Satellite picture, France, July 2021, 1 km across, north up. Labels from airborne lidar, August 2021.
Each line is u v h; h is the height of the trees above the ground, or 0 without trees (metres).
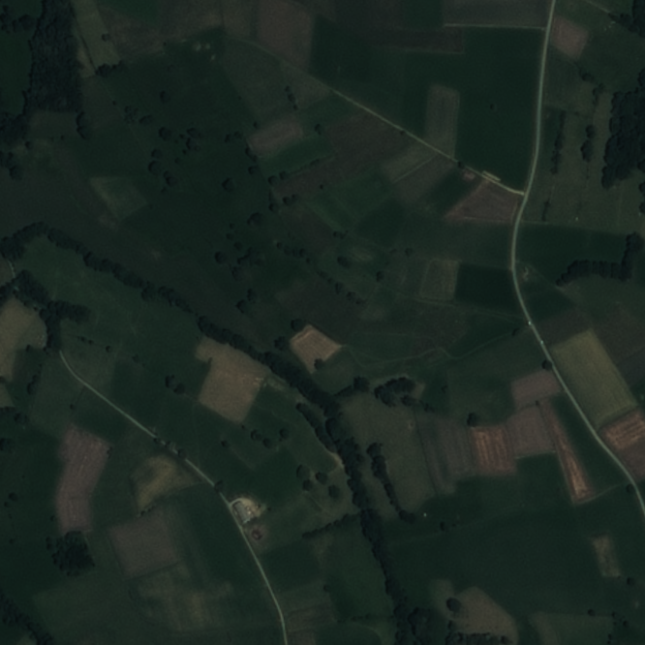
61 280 0
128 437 0
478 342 0
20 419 19
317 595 0
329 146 0
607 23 0
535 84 0
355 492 16
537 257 0
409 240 0
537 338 0
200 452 0
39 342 0
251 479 0
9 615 15
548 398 0
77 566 9
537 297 0
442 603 0
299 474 10
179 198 0
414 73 0
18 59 0
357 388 12
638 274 0
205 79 0
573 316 0
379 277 9
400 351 0
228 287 0
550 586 0
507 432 0
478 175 0
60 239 24
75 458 0
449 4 0
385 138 0
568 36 0
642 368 0
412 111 0
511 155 0
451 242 0
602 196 0
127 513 0
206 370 0
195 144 15
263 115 0
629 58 0
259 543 0
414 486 0
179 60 0
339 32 0
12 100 0
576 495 0
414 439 0
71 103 15
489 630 0
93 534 0
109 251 0
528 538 0
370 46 0
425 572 0
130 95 0
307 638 0
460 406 0
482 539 0
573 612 0
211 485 0
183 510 0
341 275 0
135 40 0
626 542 0
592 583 0
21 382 0
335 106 0
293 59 0
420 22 0
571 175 0
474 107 0
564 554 0
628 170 19
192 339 0
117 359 0
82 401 0
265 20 0
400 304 0
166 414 0
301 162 0
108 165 0
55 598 0
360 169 0
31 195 0
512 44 0
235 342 21
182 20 0
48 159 0
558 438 0
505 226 0
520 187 0
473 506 0
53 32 21
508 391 0
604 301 0
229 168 0
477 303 0
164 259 0
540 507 0
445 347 0
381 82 0
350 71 0
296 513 0
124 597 0
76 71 23
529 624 0
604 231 0
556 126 0
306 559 0
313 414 21
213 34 0
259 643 0
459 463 0
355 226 0
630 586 9
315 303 0
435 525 0
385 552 27
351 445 16
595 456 0
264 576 0
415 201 0
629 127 23
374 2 0
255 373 0
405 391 17
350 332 0
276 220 0
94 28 0
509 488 0
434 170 0
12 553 0
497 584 0
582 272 21
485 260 0
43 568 0
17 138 23
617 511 0
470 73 0
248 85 0
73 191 0
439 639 0
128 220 0
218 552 0
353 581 0
